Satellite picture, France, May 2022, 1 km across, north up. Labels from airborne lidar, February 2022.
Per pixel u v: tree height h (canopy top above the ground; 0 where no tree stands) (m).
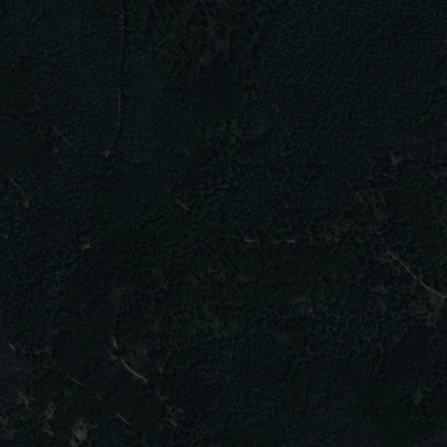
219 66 23
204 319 25
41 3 27
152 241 17
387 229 11
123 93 22
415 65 24
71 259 6
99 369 20
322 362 21
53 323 20
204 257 13
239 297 6
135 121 27
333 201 21
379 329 30
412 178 22
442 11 27
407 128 22
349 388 8
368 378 14
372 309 16
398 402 19
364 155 24
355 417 23
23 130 14
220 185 33
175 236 21
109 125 18
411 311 31
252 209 32
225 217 33
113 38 29
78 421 0
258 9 21
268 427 15
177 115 27
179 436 33
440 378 16
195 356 14
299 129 29
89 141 26
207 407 30
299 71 34
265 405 15
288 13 38
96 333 15
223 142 41
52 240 25
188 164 16
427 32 27
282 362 14
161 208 22
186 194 11
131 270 7
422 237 28
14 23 25
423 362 11
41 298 24
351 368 16
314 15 43
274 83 43
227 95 24
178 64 23
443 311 7
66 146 20
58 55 28
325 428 21
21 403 8
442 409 19
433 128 16
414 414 15
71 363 15
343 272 8
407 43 24
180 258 13
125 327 22
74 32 30
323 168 30
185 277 8
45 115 28
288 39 41
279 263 11
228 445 12
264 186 30
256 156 31
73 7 37
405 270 12
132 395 9
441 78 25
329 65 37
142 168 16
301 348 0
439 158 26
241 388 15
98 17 25
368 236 10
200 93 25
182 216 21
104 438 22
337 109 32
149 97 26
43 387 17
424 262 35
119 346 10
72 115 26
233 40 30
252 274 9
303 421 24
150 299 20
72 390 15
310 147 30
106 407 15
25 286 16
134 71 25
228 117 18
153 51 28
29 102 26
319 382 22
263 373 14
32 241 35
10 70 24
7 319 24
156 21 28
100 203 21
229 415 30
